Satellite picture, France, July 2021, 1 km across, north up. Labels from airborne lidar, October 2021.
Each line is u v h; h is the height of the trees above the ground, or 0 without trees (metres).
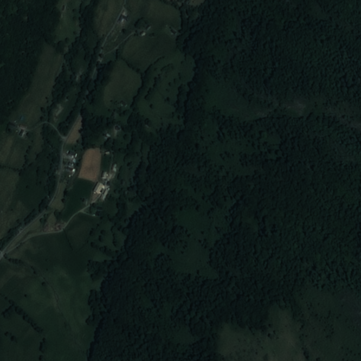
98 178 0
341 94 13
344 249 20
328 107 7
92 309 9
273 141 0
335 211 11
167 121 0
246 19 8
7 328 0
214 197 19
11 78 21
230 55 0
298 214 22
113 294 28
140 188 23
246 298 23
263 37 15
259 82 13
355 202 9
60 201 0
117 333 21
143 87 16
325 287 13
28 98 0
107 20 0
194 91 24
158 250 0
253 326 16
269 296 13
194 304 12
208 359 11
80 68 0
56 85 12
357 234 10
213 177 7
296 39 23
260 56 9
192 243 0
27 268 0
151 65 9
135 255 35
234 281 24
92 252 0
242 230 27
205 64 16
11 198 0
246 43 10
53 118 0
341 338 0
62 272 0
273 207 19
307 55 26
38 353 0
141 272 17
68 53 16
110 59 0
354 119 10
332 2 23
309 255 23
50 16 21
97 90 6
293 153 27
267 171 10
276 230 19
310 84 17
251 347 0
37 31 29
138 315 9
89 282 0
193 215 0
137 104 12
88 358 7
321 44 17
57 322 0
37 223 0
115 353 17
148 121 14
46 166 0
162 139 10
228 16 9
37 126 0
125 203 9
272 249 21
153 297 8
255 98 7
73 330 0
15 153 0
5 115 18
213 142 13
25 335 0
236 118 10
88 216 0
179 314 26
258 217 26
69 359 0
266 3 16
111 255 13
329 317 7
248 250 23
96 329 0
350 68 22
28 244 0
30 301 0
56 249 0
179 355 20
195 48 27
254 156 12
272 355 0
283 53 17
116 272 24
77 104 10
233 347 0
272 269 14
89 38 0
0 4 21
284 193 19
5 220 0
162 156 17
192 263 0
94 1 11
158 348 23
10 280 0
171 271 15
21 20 26
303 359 0
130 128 11
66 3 0
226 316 16
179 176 6
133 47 0
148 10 0
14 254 0
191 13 19
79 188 0
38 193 0
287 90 16
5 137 0
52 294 0
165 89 0
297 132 9
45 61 0
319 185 17
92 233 15
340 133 17
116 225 11
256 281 8
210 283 23
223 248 11
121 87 0
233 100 0
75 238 0
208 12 13
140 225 25
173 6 7
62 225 0
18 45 22
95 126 17
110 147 10
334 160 16
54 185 8
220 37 10
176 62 0
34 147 0
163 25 0
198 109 14
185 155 15
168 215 17
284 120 19
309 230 21
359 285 11
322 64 19
